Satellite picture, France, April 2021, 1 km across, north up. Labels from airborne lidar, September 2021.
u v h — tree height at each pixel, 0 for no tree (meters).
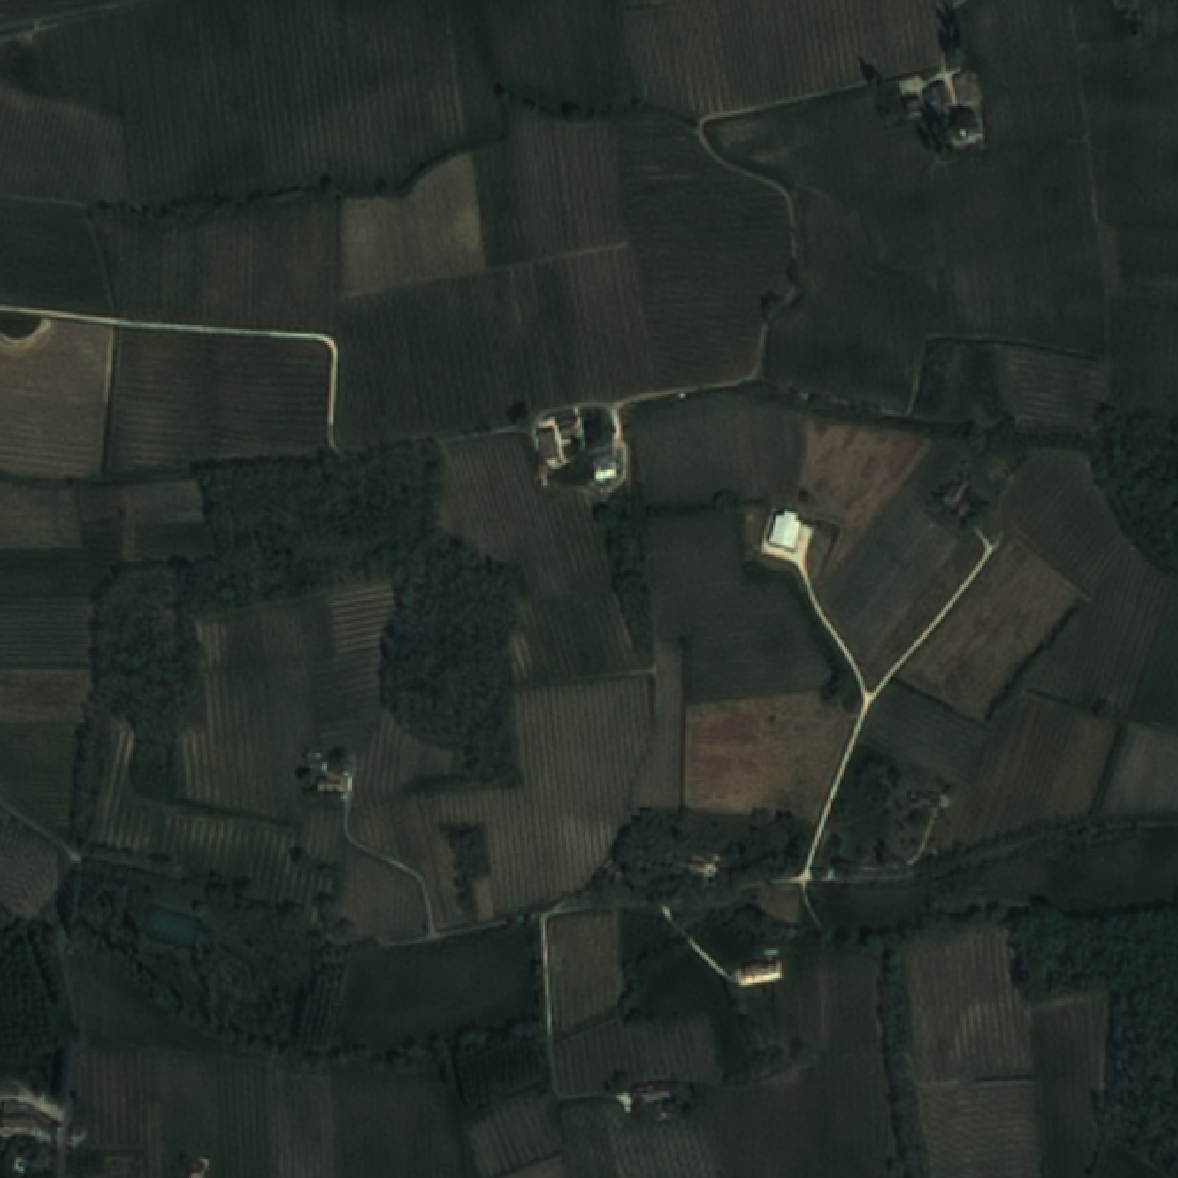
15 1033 24
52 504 0
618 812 0
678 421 0
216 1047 0
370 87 0
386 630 0
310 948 11
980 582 0
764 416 0
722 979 0
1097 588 0
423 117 0
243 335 0
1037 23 0
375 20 0
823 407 13
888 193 0
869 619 0
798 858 13
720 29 0
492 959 0
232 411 0
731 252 0
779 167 0
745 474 0
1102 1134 11
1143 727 0
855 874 10
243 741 0
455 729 17
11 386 0
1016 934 15
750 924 11
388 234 0
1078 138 0
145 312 0
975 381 0
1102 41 0
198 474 15
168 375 0
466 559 25
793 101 0
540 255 0
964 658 0
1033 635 0
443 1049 16
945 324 0
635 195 0
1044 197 0
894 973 15
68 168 0
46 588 0
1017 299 0
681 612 0
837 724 0
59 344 0
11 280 0
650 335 0
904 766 0
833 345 0
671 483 0
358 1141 0
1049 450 11
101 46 0
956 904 0
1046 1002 15
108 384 0
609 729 0
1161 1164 17
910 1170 18
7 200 0
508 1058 20
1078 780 0
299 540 12
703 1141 0
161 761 10
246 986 24
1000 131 0
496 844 0
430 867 0
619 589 13
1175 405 0
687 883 12
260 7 0
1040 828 10
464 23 0
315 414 0
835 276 0
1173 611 0
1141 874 0
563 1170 0
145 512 0
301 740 0
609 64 0
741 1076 7
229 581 13
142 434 0
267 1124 0
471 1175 0
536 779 0
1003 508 0
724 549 0
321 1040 22
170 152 0
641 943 6
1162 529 12
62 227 0
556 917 0
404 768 0
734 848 8
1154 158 0
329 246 0
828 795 0
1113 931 23
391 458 17
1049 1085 0
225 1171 0
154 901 8
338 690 0
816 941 7
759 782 0
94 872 8
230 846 0
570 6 0
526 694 0
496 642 18
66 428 0
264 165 0
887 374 0
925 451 0
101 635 19
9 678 0
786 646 0
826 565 0
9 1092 0
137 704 19
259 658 0
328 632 0
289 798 0
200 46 0
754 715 0
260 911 18
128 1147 0
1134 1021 7
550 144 0
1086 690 0
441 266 0
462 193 0
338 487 16
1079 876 0
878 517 0
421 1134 0
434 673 12
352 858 0
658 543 0
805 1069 15
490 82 0
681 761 0
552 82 0
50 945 20
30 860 19
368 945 12
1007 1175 0
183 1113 0
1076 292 0
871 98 0
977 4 0
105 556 0
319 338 0
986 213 0
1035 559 0
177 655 9
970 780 0
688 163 0
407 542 19
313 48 0
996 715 9
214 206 11
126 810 0
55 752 0
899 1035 14
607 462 0
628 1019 8
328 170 0
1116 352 0
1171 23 0
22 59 0
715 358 0
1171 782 0
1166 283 0
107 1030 0
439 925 0
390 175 0
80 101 0
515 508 0
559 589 0
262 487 17
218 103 0
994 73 0
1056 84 0
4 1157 6
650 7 0
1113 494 13
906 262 0
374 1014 0
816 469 0
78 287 0
